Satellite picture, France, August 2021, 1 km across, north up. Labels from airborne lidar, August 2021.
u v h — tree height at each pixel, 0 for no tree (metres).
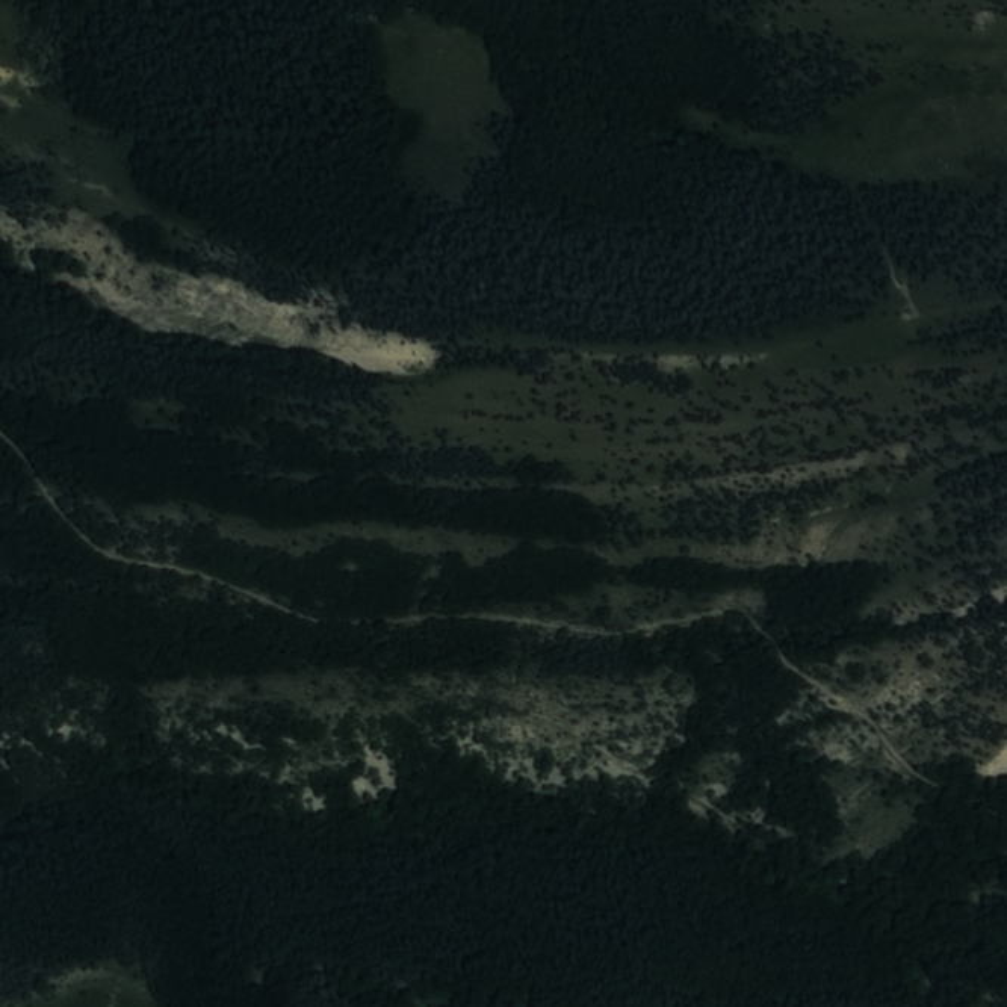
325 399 8
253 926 12
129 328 15
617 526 11
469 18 13
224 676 6
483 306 6
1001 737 7
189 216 8
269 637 16
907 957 24
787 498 8
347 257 13
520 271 9
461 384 0
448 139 0
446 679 9
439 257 11
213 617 13
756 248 11
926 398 5
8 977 10
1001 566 7
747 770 9
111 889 16
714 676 15
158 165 14
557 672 9
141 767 13
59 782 6
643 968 18
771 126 8
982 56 0
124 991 0
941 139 0
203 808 21
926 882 20
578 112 21
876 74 6
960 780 10
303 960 8
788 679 7
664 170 17
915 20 0
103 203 0
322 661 13
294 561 9
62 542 14
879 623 10
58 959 7
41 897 16
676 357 0
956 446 7
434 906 19
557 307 10
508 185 16
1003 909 19
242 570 12
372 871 16
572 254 15
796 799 17
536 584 18
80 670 18
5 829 14
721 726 7
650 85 24
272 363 20
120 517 8
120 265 0
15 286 21
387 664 9
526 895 19
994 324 9
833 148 0
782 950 22
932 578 0
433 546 0
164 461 15
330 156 17
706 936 15
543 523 20
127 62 16
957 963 25
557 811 21
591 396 0
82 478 16
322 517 13
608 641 10
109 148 0
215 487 16
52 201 11
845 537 0
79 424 15
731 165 14
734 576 14
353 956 16
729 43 13
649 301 19
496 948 15
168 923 21
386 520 13
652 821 25
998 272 11
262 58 17
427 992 9
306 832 25
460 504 12
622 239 15
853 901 21
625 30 20
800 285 13
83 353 10
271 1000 20
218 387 10
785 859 19
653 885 14
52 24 8
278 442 13
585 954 16
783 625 8
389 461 12
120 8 14
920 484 0
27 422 15
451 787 14
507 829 22
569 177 21
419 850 20
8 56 0
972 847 20
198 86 13
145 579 9
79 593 11
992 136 0
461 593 17
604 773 6
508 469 8
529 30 22
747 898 15
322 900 19
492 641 11
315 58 21
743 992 28
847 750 0
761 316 7
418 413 0
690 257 20
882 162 0
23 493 10
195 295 0
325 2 20
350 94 25
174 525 7
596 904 14
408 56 0
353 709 6
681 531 9
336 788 12
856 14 0
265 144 8
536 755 5
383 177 12
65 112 0
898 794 6
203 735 8
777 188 14
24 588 9
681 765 15
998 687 9
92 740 6
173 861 18
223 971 13
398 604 13
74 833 22
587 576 16
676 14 14
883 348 0
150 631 13
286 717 11
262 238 13
